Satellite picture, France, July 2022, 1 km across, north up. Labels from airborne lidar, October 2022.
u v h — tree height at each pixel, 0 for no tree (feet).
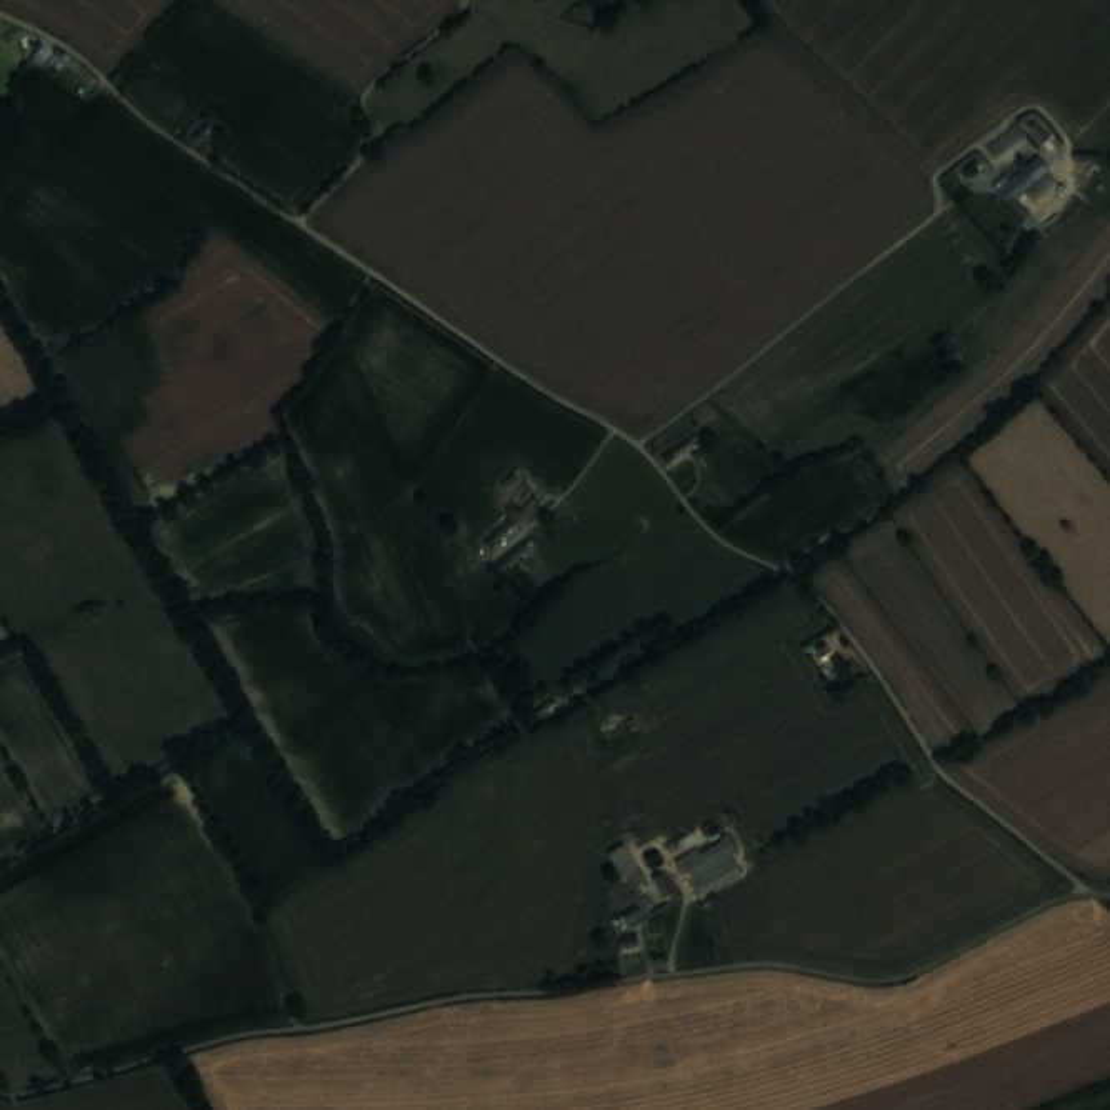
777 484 29
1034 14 0
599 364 0
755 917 0
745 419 0
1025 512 0
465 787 0
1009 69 0
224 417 0
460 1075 0
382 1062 0
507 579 42
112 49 0
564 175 0
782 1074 0
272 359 0
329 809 0
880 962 0
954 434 0
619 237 0
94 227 0
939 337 31
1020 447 0
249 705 71
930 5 0
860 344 0
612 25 49
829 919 0
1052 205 0
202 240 38
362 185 0
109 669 0
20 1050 0
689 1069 0
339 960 0
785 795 0
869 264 0
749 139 0
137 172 0
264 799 0
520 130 0
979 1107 0
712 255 0
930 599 0
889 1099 0
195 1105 42
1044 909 0
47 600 0
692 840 0
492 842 0
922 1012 0
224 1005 0
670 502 0
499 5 0
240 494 0
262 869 0
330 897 0
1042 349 0
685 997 0
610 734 0
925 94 0
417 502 41
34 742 0
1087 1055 0
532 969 0
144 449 0
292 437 35
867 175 0
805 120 0
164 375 0
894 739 0
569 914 0
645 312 0
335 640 45
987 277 66
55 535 0
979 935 0
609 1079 0
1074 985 0
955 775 0
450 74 0
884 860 0
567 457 0
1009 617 0
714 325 0
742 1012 0
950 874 0
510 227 0
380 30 0
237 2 0
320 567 55
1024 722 33
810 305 0
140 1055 0
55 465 0
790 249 0
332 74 0
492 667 64
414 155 0
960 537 0
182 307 0
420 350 0
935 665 0
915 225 0
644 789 0
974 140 0
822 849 0
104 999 0
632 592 0
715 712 0
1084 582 0
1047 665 0
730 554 0
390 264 0
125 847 0
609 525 0
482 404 0
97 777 67
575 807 0
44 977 0
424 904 0
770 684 0
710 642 0
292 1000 40
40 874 0
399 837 0
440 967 0
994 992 0
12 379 0
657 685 0
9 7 0
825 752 0
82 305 0
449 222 0
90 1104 0
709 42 0
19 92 40
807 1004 0
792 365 0
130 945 0
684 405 0
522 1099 0
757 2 57
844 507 0
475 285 0
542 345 0
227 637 0
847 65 0
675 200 0
